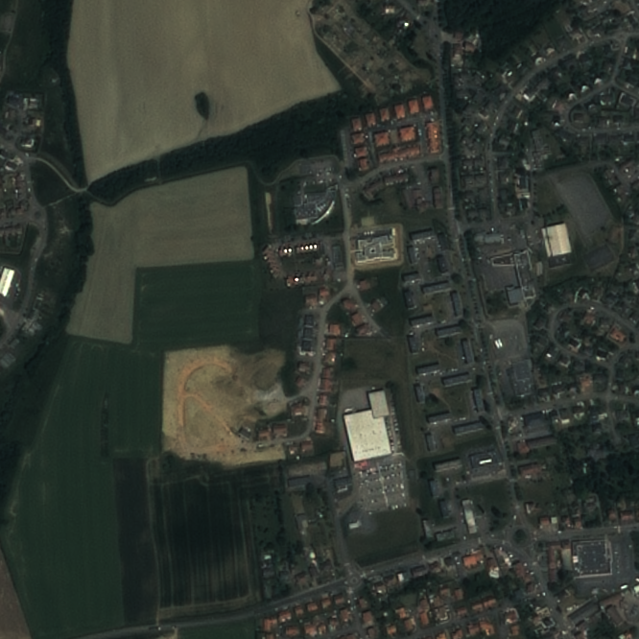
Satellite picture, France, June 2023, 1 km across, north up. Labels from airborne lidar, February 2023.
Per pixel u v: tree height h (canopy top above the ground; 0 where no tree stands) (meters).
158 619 0
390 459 0
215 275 0
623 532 0
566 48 0
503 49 13
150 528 0
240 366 0
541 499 0
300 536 0
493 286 0
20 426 0
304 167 0
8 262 0
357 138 0
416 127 0
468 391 0
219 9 0
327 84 0
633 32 0
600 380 0
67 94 9
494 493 0
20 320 0
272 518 0
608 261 0
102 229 0
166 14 0
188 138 0
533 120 13
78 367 0
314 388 0
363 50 0
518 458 12
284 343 0
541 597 0
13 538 0
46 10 8
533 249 0
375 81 0
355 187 0
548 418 7
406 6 0
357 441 0
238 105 0
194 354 0
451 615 0
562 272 0
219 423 0
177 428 0
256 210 0
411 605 0
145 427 0
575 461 15
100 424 0
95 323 0
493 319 0
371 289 0
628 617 0
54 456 0
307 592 0
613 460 21
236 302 0
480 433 0
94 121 0
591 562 0
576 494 9
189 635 0
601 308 0
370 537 0
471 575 0
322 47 0
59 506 0
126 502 0
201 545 0
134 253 0
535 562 0
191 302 0
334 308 0
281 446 0
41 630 0
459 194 10
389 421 0
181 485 0
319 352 0
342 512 0
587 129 0
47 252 0
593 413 0
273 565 7
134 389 0
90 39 0
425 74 0
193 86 0
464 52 6
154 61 0
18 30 0
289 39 0
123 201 0
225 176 0
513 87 0
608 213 0
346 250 0
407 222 0
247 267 0
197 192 0
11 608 0
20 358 0
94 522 0
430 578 13
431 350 0
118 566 0
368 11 6
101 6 0
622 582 0
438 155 0
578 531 0
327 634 0
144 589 0
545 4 14
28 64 0
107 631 0
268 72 0
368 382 0
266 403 0
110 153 0
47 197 0
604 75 11
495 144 7
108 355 0
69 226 0
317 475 0
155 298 0
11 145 0
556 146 0
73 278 5
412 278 0
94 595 0
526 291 0
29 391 0
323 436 0
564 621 0
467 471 0
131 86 0
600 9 0
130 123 0
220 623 0
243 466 0
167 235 0
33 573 0
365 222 0
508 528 0
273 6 0
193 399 0
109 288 0
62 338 0
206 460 0
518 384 0
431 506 0
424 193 0
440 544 0
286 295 0
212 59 0
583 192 0
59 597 0
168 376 0
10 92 0
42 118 0
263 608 0
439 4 7
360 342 0
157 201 0
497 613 0
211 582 0
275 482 0
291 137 7
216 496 0
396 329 0
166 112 0
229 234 0
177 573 0
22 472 0
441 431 0
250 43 0
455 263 0
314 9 6
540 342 0
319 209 0
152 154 0
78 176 9
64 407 0
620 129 0
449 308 0
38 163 0
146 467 0
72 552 0
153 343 0
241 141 11
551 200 0
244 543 0
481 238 0
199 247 0
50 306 0
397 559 0
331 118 6
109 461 0
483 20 14
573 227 0
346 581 0
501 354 0
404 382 0
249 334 0
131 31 0
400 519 0
